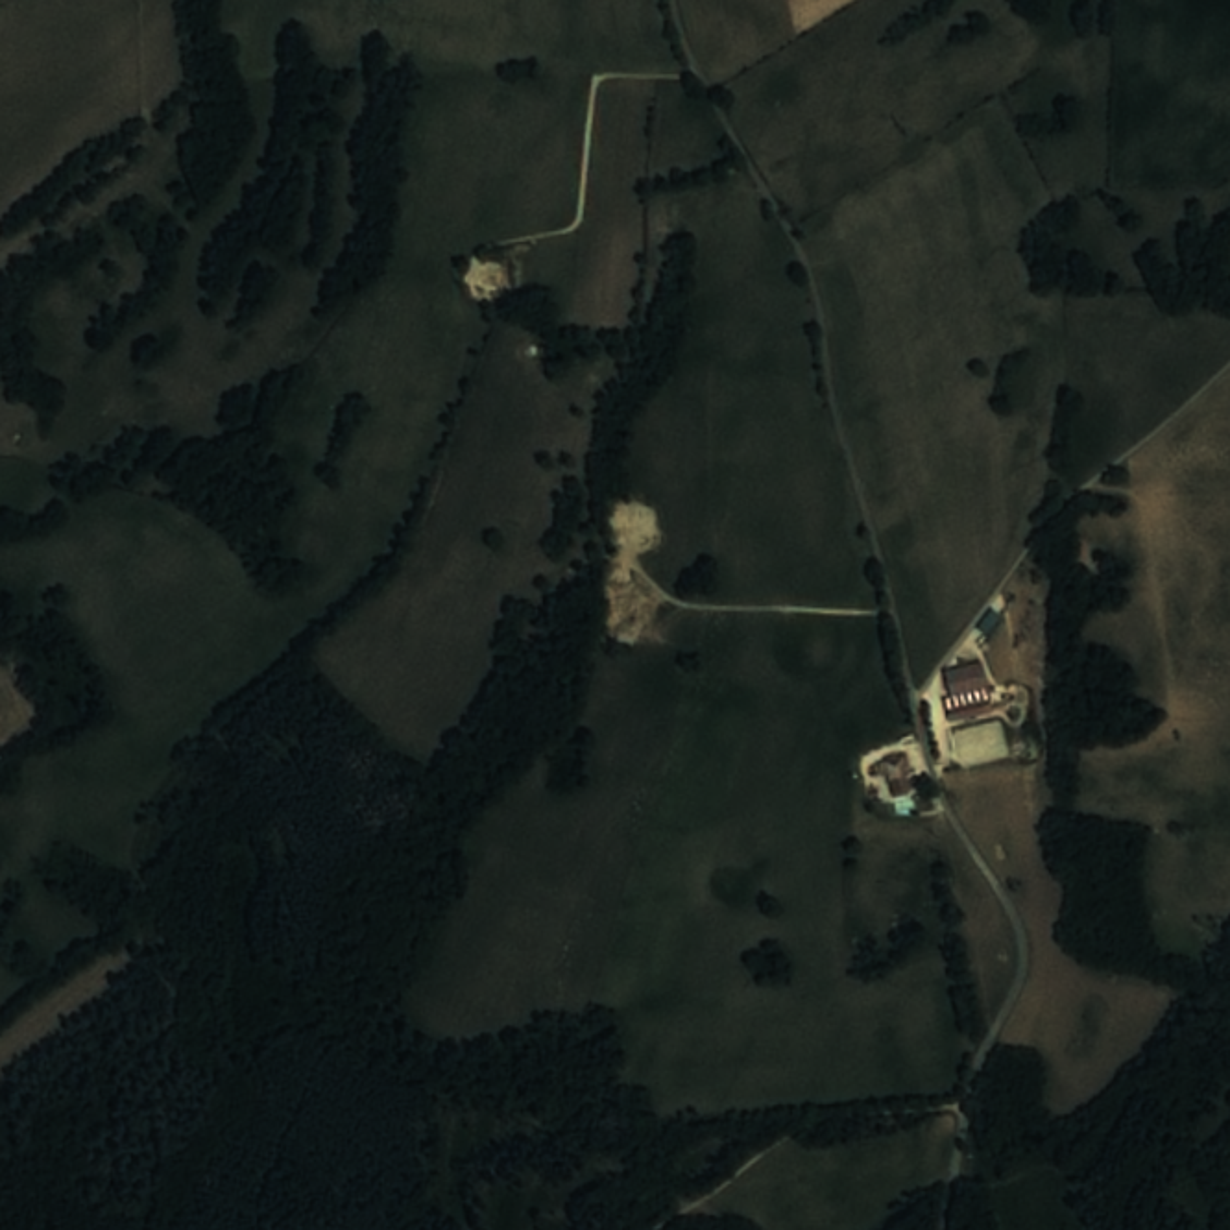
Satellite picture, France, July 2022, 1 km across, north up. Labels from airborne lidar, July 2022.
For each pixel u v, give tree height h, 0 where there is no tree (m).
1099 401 0
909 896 0
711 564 16
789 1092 0
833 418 0
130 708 0
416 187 0
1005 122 0
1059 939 12
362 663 0
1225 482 0
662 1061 0
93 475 19
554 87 0
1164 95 0
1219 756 0
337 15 0
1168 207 0
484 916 0
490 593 0
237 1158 21
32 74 0
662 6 7
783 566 0
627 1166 15
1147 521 0
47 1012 0
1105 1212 8
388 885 15
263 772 19
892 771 0
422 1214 9
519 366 0
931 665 0
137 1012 10
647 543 0
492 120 0
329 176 16
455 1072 22
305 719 15
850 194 0
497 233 0
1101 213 0
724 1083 0
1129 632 0
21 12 0
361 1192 20
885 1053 0
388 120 19
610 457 19
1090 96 0
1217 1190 16
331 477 16
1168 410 0
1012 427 0
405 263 0
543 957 0
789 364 0
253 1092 17
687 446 0
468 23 0
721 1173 15
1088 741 21
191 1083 26
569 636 21
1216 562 0
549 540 14
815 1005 0
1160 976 8
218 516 15
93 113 0
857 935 0
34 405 13
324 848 20
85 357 0
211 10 18
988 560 0
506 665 20
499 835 0
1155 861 0
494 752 23
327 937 16
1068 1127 12
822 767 0
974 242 0
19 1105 12
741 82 0
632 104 0
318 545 0
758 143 0
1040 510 8
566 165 0
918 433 0
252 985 7
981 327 0
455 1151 0
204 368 0
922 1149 0
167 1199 21
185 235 16
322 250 13
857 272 0
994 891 0
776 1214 0
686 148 0
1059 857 19
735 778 0
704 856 0
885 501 0
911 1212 16
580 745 16
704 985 0
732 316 0
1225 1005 18
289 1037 15
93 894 11
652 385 19
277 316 0
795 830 0
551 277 0
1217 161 0
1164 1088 18
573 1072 14
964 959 18
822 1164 0
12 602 18
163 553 0
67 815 0
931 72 0
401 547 14
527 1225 0
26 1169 10
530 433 0
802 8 0
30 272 15
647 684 0
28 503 0
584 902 0
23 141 0
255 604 0
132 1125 25
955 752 0
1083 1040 0
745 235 0
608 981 0
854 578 0
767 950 13
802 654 0
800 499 0
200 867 17
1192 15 0
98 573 0
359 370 0
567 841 0
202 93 12
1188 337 0
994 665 0
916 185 0
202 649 0
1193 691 0
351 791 21
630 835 0
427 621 0
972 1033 14
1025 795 0
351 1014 17
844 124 0
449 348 0
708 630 0
